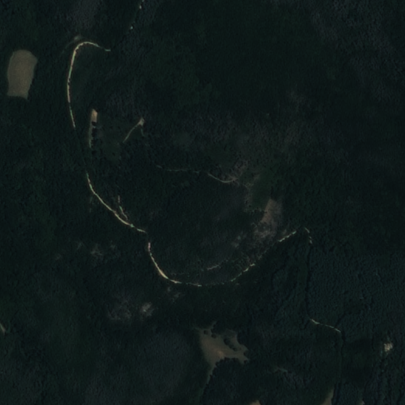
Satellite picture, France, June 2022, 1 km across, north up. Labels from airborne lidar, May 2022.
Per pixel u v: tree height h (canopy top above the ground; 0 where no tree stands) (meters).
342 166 15
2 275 23
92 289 15
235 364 21
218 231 10
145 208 10
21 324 17
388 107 19
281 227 10
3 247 23
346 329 31
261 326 20
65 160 19
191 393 19
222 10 17
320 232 12
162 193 17
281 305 21
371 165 11
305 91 14
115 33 11
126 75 11
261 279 18
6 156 15
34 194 21
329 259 32
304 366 18
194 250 12
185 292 7
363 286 25
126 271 15
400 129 18
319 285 34
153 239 9
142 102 14
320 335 15
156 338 21
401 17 18
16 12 24
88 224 19
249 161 7
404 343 21
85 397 15
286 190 9
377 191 16
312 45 12
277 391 18
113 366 19
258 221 8
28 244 22
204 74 13
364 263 21
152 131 16
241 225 9
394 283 22
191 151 7
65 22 7
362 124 20
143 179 16
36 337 18
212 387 22
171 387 11
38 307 18
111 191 14
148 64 17
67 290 20
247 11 14
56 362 18
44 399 21
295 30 16
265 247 9
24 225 22
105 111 12
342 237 16
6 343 21
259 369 21
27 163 24
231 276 9
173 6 15
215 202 6
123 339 27
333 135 11
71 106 7
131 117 13
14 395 21
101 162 13
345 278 34
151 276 13
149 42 13
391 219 16
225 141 9
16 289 27
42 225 21
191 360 17
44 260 19
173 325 20
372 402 17
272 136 10
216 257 11
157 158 16
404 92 26
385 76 20
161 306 11
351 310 13
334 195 11
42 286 19
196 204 13
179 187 15
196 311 12
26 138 22
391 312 23
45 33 12
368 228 12
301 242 23
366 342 18
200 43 13
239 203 8
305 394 22
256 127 14
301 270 20
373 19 20
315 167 10
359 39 18
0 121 14
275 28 18
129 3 13
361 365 21
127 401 14
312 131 10
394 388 12
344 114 22
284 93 11
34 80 15
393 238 16
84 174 9
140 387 14
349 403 33
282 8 19
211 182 10
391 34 12
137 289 11
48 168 18
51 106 16
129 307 10
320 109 19
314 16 20
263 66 17
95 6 15
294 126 7
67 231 14
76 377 11
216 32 17
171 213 19
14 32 22
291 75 13
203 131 13
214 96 13
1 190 24
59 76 9
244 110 13
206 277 10
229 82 15
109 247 9
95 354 16
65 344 12
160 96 15
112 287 13
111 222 17
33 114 13
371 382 11
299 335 33
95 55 6
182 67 18
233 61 15
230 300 10
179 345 13
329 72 17
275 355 15
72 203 20
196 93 13
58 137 13
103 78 8
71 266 19
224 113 13
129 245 10
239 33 17
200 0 18
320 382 19
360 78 18
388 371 13
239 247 7
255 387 25
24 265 27
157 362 16
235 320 8
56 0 14
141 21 15
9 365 23
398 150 9
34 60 0
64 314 11
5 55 8
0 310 19
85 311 22
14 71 0
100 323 16
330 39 16
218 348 0
